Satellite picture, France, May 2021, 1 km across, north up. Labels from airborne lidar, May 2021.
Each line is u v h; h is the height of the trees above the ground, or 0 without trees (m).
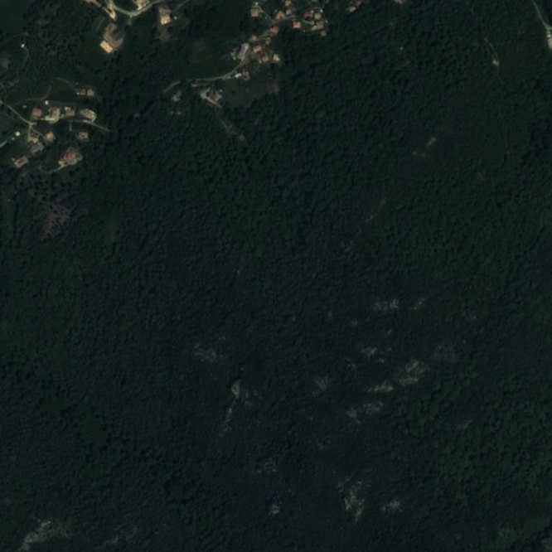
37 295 16
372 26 8
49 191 13
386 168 15
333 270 16
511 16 11
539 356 7
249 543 6
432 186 14
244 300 8
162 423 16
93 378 16
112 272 17
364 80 14
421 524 8
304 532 9
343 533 7
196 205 7
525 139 7
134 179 18
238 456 11
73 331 11
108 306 10
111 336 17
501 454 13
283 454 12
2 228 15
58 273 14
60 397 15
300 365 14
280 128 15
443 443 6
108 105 9
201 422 12
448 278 11
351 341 11
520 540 10
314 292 9
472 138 9
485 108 10
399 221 21
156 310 13
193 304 12
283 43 6
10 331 16
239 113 11
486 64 13
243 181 13
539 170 14
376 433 7
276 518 8
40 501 16
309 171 11
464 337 7
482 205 20
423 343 13
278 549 6
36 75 8
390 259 13
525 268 12
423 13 14
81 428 14
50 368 18
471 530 9
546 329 8
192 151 14
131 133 21
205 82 7
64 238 11
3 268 18
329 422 7
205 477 7
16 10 0
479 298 7
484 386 9
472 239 22
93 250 14
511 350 8
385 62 13
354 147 13
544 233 21
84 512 12
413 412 22
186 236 13
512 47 6
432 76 14
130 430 14
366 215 8
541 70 11
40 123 9
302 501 8
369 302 7
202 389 8
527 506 10
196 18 7
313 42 6
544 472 9
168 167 15
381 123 12
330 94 8
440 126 6
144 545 10
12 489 16
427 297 8
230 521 11
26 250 14
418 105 10
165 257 10
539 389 12
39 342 16
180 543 6
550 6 22
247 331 9
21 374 15
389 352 7
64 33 13
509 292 14
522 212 9
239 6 0
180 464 16
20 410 14
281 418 13
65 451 9
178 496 20
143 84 11
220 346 6
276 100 13
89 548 7
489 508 12
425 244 19
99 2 12
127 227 7
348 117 12
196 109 11
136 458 11
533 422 24
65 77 0
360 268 8
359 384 9
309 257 11
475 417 8
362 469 8
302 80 18
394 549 10
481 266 19
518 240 16
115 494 11
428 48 13
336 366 14
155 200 16
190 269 13
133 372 17
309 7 9
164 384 11
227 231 18
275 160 9
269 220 8
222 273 13
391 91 13
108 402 9
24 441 12
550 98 14
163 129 13
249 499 8
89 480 13
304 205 6
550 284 6
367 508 9
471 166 12
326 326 11
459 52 7
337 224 14
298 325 13
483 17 11
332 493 6
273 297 11
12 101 0
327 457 6
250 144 13
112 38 0
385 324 10
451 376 10
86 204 11
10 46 8
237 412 8
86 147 6
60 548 10
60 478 12
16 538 9
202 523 15
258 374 6
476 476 12
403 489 10
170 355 12
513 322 14
